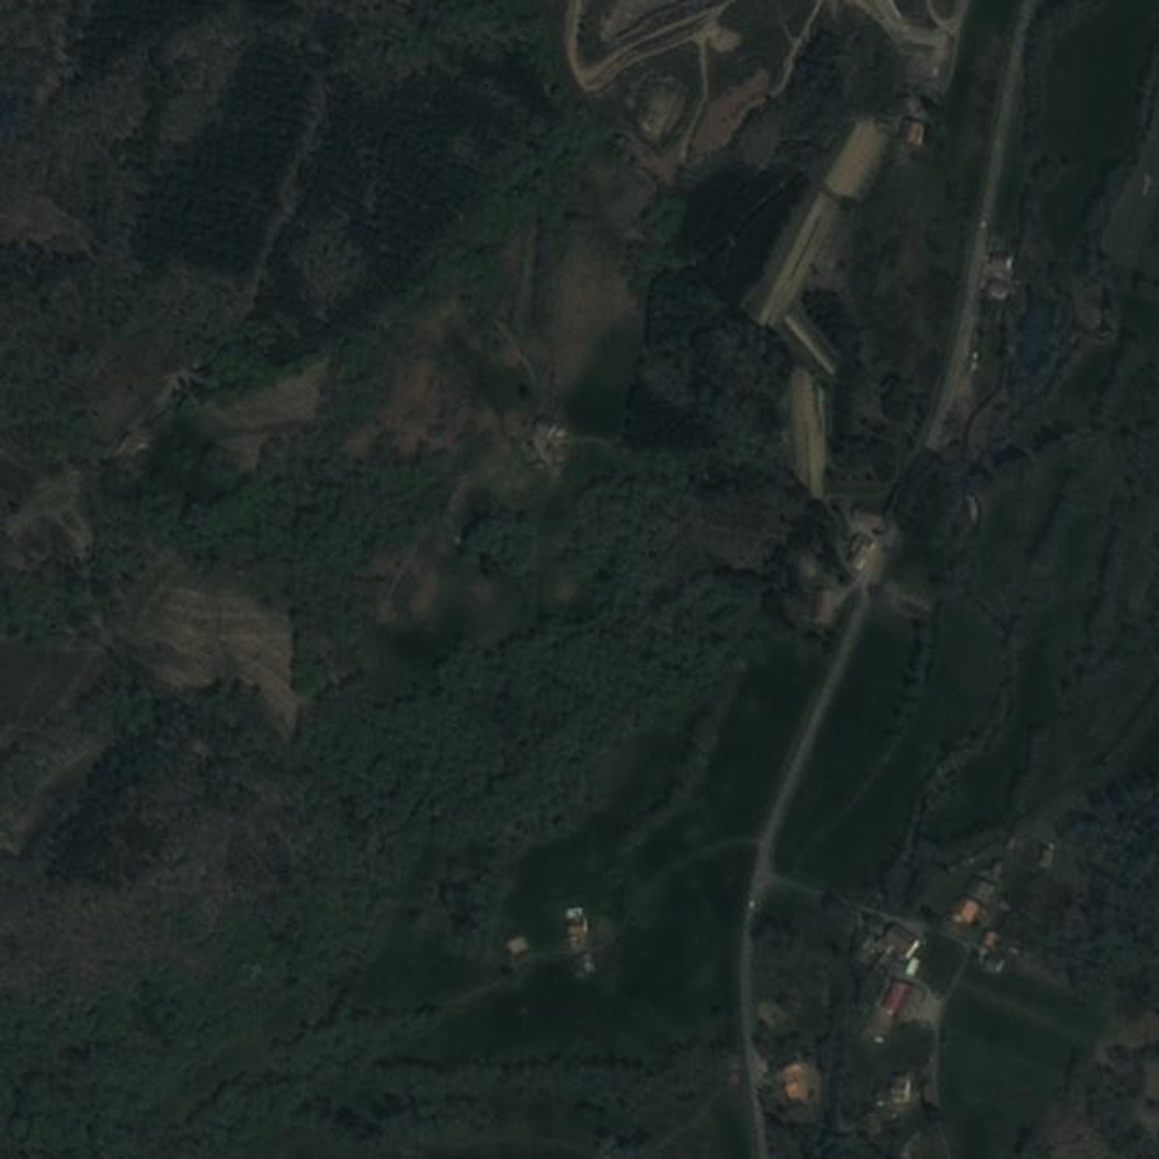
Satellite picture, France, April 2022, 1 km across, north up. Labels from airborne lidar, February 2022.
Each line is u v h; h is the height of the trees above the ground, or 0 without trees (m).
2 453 0
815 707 0
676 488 24
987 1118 0
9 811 24
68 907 16
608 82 0
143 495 20
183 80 15
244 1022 19
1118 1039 0
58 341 24
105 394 0
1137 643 14
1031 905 0
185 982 22
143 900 11
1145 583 0
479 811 24
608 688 18
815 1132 9
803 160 16
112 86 15
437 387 0
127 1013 18
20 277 19
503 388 0
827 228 0
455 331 0
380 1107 0
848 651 0
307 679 19
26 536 0
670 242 16
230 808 19
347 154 16
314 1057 17
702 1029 0
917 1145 0
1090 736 0
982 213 0
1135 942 17
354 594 17
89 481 23
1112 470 0
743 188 11
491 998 0
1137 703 0
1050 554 21
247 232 23
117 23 21
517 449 0
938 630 9
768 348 24
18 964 18
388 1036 15
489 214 21
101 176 19
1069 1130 0
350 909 18
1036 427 0
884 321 0
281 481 12
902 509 0
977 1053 0
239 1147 24
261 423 0
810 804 0
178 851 18
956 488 19
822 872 0
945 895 0
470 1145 0
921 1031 0
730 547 0
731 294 12
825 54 24
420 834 19
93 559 11
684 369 14
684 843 0
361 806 24
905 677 0
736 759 0
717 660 26
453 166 15
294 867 20
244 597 0
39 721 0
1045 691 0
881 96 0
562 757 21
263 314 9
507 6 21
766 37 0
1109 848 16
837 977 0
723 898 0
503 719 24
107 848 7
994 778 0
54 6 13
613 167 0
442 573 0
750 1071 0
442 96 19
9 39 16
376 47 8
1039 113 14
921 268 0
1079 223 0
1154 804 29
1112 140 0
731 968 0
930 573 0
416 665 0
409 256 20
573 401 0
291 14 19
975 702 0
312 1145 0
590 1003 0
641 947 0
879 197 0
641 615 26
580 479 0
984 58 0
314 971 25
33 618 15
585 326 0
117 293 18
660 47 0
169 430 0
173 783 10
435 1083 27
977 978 0
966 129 0
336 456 13
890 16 0
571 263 0
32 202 0
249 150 23
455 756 19
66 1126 28
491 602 0
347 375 9
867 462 19
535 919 0
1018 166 0
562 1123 0
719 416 24
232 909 18
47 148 14
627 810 0
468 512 0
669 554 7
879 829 0
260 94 20
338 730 25
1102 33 0
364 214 17
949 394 0
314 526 20
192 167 21
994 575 0
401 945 0
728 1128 0
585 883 0
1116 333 0
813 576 0
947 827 0
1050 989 0
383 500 21
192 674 0
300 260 17
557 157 18
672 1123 0
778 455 29
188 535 24
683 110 0
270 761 20
